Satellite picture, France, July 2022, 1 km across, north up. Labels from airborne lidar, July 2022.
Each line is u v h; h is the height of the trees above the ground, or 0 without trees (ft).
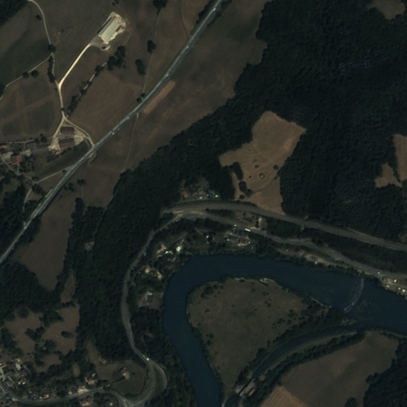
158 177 55
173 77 0
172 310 0
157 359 55
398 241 40
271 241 44
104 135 0
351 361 0
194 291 27
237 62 0
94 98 0
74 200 0
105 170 0
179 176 50
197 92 0
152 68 0
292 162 39
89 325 66
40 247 0
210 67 0
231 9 0
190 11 0
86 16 0
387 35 64
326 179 47
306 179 80
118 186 38
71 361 42
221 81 0
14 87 0
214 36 0
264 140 0
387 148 23
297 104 75
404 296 0
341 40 87
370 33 61
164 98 0
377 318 0
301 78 32
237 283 0
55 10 0
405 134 70
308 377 0
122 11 0
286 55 65
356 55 69
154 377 0
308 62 69
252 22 0
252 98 63
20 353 21
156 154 42
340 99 66
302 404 0
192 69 0
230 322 0
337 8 54
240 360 0
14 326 0
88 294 56
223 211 41
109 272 33
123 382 0
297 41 68
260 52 0
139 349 75
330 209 31
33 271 0
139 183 26
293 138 0
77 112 0
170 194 68
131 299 88
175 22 0
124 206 64
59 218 0
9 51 0
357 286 0
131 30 0
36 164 0
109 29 0
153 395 0
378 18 58
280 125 0
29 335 61
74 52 0
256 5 0
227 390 0
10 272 43
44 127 0
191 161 72
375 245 38
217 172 58
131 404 0
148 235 22
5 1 51
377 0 0
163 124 0
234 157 0
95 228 49
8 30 0
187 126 0
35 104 0
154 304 0
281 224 33
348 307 0
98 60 0
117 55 42
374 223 32
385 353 0
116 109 0
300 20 74
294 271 0
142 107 0
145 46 0
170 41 0
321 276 0
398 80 62
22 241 41
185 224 75
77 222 47
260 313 0
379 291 0
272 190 0
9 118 0
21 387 33
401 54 76
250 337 0
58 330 0
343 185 77
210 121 70
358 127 37
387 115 64
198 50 0
